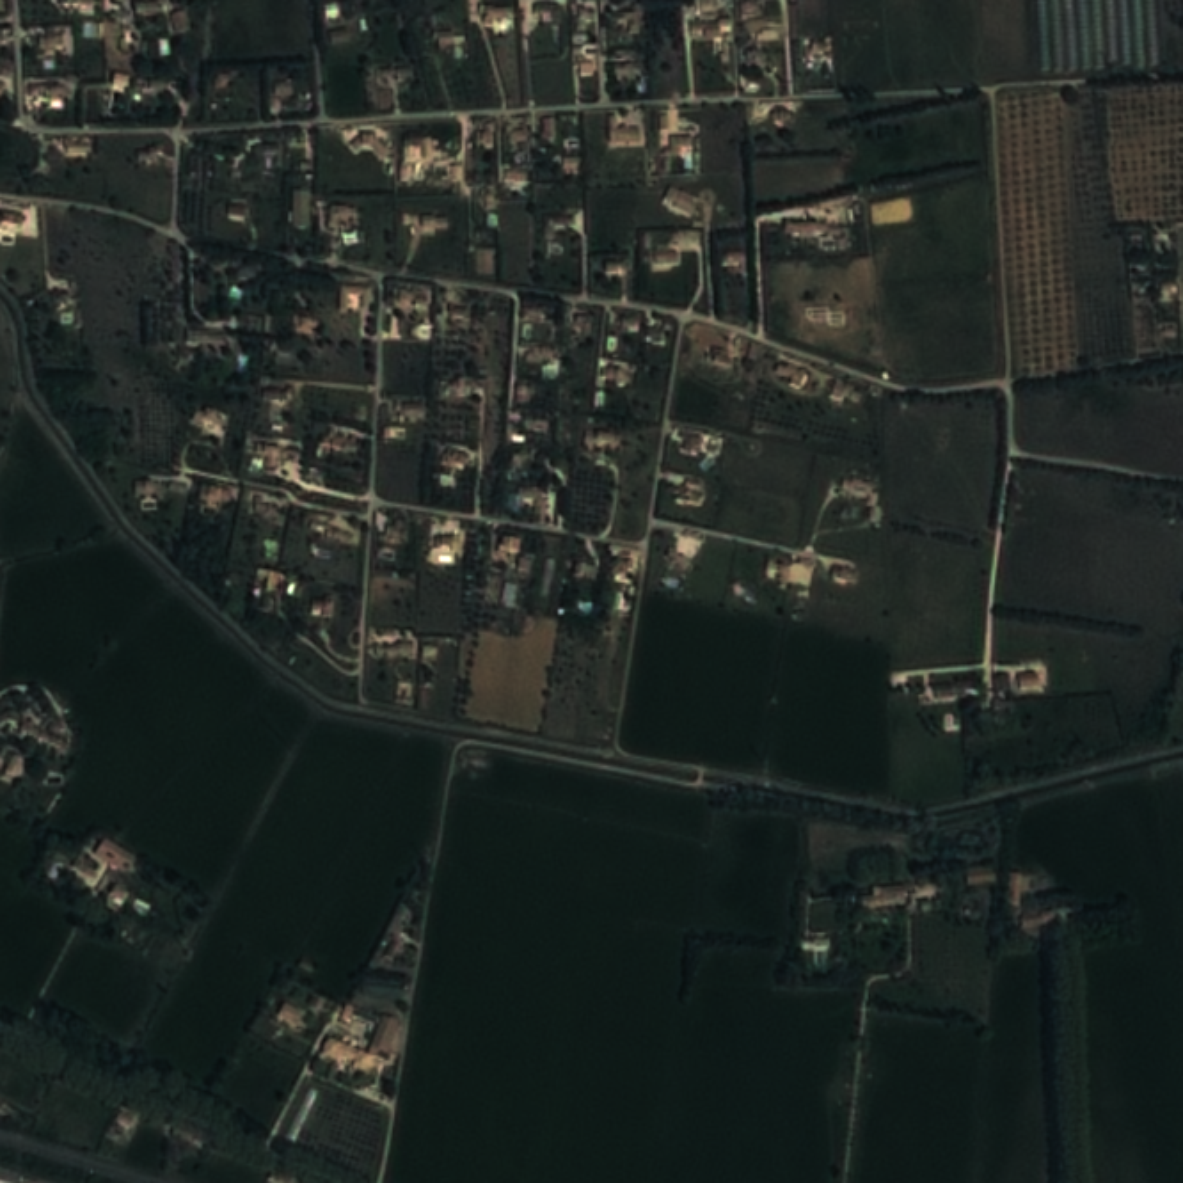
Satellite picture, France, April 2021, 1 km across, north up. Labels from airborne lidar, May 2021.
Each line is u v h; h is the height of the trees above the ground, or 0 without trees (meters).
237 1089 0
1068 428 0
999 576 0
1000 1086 0
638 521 0
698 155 0
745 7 0
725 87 0
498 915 0
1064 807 0
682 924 0
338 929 0
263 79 6
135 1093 26
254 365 9
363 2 8
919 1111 0
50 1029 8
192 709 0
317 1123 0
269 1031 0
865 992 6
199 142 6
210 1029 0
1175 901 0
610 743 0
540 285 12
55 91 0
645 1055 0
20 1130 7
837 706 0
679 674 0
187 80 9
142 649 0
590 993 0
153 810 0
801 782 0
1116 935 6
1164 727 8
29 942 0
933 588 0
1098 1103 0
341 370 0
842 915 7
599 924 0
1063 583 0
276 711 0
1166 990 0
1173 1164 0
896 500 0
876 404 0
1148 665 0
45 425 0
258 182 7
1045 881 0
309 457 6
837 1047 0
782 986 9
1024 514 0
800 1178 0
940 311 0
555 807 0
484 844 0
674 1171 0
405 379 0
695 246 0
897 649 0
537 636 0
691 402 0
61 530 0
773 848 0
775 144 8
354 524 10
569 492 9
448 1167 0
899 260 0
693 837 0
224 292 8
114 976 0
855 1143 8
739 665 0
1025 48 0
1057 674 0
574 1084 0
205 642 0
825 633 0
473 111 0
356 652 0
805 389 0
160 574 0
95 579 0
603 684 0
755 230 12
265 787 0
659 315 8
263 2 0
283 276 13
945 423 0
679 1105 0
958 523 0
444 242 0
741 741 0
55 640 0
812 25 0
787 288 0
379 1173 0
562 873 0
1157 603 0
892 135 7
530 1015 0
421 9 10
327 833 0
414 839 0
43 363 8
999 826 8
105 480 9
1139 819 0
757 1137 0
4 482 0
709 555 0
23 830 11
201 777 0
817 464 0
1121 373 9
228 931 0
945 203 0
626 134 0
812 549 0
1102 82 8
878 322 0
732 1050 0
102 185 0
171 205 0
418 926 7
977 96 12
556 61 0
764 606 0
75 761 6
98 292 0
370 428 6
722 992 0
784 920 0
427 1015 0
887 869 21
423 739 0
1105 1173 0
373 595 0
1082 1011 27
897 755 0
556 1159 0
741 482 0
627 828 0
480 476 6
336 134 0
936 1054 0
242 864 0
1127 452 0
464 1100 0
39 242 0
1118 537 0
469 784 0
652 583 0
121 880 11
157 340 6
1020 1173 0
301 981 9
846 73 0
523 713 0
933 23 0
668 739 0
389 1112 0
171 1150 12
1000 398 6
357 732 0
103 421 7
